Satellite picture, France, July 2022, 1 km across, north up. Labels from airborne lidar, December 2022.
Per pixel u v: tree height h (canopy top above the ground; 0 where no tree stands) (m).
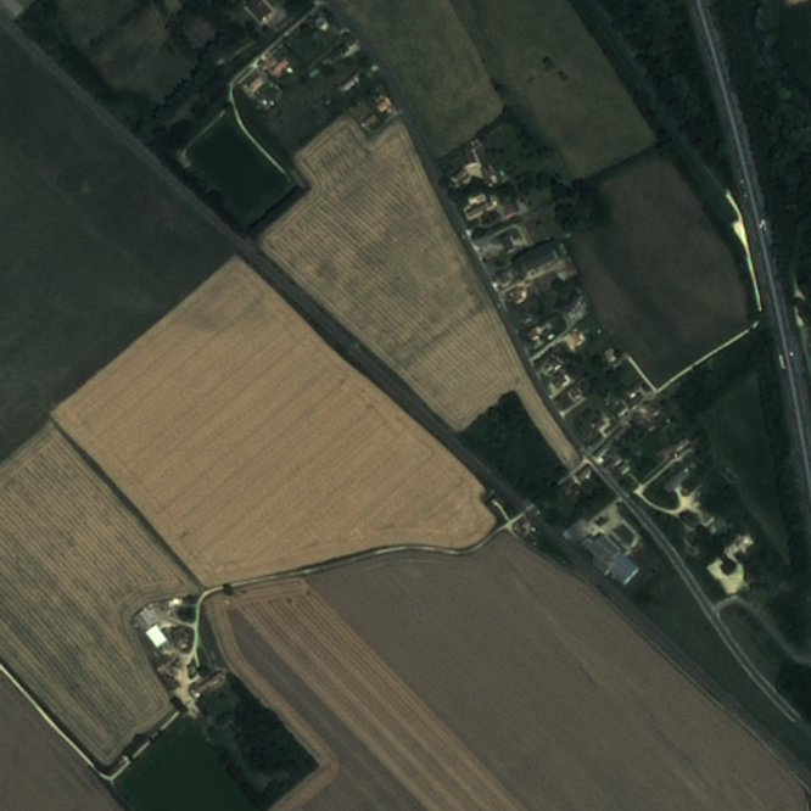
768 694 0
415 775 0
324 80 0
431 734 0
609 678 0
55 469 0
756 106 23
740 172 0
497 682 0
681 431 10
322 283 0
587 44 0
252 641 0
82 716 0
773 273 0
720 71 0
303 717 0
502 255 0
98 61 0
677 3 16
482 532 0
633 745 0
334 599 0
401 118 0
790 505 16
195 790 0
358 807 0
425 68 0
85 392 0
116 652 0
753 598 0
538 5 0
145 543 0
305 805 0
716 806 0
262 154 0
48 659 0
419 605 0
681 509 0
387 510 0
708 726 0
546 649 0
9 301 0
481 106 0
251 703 12
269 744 14
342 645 0
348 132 0
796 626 7
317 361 0
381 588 0
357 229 0
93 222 0
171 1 0
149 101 0
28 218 0
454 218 0
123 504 0
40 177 0
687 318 0
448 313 0
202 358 0
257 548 0
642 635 0
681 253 0
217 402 0
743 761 0
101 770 9
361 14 0
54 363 0
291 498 0
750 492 0
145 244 0
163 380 0
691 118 11
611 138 0
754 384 0
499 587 0
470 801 0
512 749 0
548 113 0
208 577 0
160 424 0
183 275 0
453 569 0
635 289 0
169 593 0
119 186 0
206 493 0
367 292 0
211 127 0
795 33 0
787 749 0
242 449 0
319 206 0
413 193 0
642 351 0
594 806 0
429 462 0
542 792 0
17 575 0
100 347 0
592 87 0
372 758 0
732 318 0
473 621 0
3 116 0
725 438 0
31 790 0
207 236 0
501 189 7
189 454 0
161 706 0
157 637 0
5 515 0
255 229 15
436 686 0
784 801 0
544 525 0
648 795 0
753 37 8
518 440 6
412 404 0
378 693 0
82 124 0
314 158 0
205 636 0
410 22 0
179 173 8
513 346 0
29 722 0
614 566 0
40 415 0
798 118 13
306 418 0
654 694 0
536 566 0
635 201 0
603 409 0
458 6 0
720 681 0
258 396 0
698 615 0
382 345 0
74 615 0
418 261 0
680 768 0
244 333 0
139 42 0
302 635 0
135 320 0
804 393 0
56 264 0
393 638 0
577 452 0
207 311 0
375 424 0
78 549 0
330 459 0
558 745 0
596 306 0
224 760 12
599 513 0
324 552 0
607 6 13
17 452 0
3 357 0
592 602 0
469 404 0
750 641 0
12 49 0
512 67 0
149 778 0
